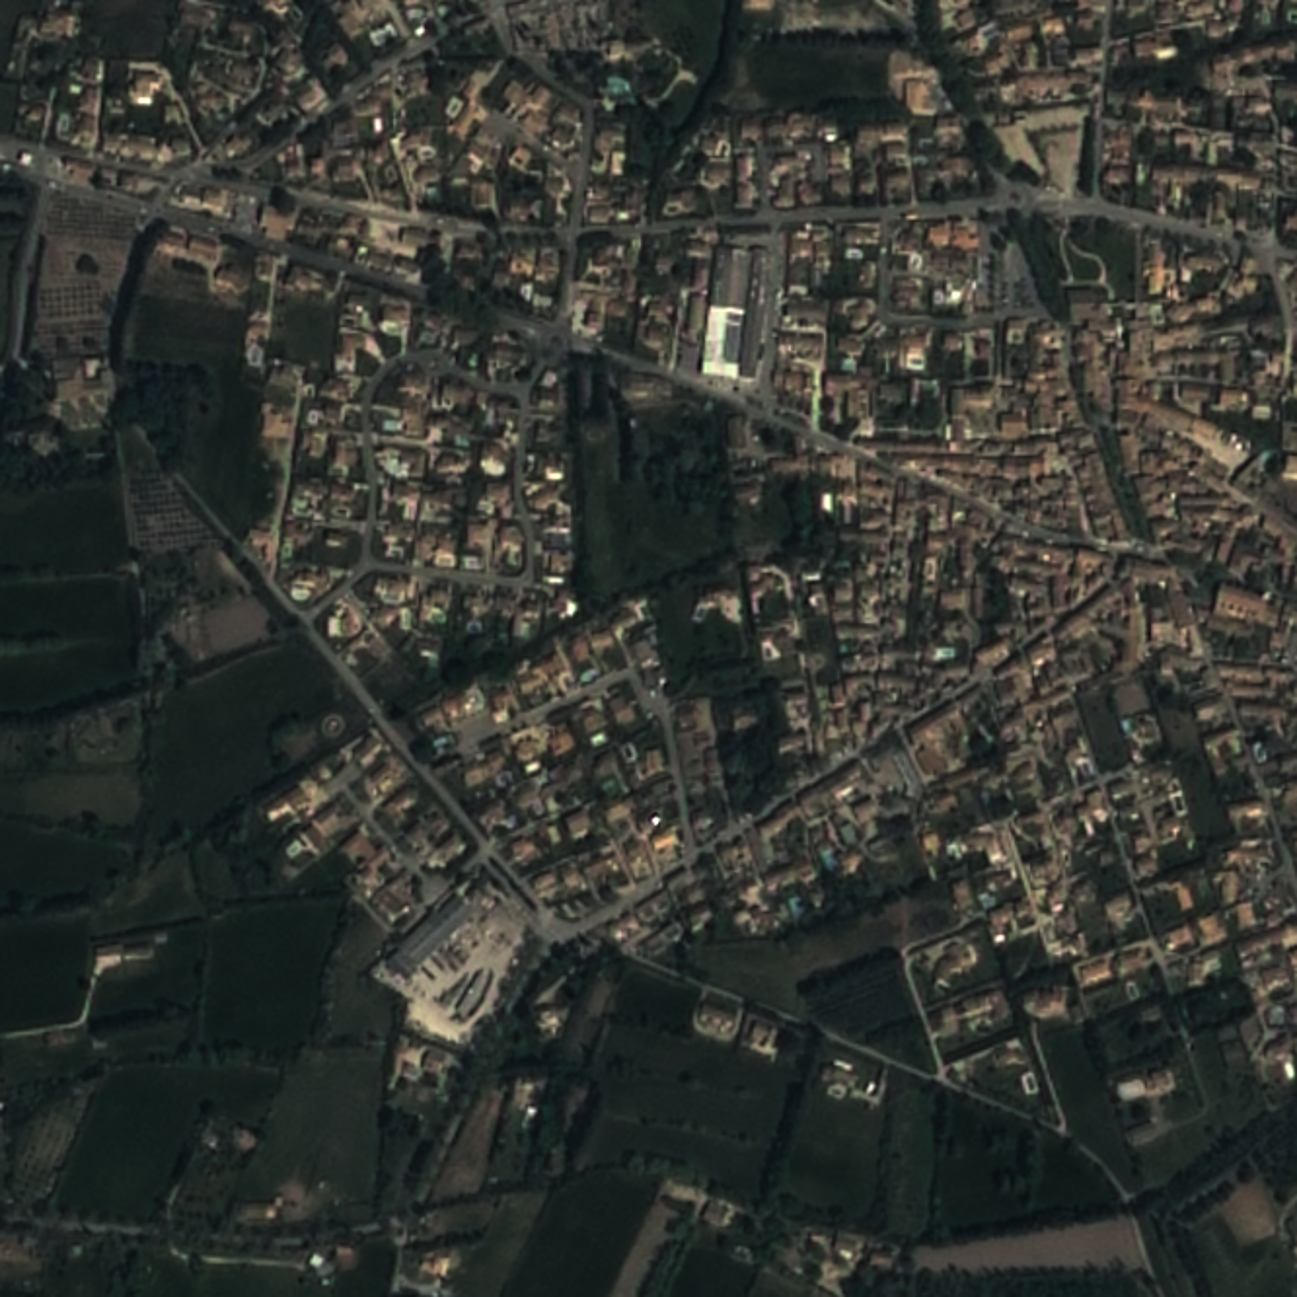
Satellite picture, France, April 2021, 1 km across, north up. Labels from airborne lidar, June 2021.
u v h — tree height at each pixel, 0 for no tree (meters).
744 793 17
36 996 0
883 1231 7
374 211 0
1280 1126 15
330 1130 0
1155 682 7
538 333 0
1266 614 0
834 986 14
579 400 16
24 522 0
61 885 0
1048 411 0
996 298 9
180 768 0
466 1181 0
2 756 0
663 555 0
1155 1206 13
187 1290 0
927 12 19
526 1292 0
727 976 0
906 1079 6
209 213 7
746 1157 0
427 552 0
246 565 13
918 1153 0
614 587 0
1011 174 13
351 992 0
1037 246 14
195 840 8
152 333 0
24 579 13
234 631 0
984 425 9
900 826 12
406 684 0
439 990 0
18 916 16
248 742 0
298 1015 0
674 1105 0
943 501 0
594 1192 0
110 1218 10
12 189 8
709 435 21
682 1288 0
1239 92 0
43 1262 0
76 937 0
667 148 7
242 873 7
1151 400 0
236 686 0
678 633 0
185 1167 11
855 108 13
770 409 10
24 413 12
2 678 0
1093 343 0
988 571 6
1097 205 0
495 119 0
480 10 10
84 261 7
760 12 0
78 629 0
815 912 8
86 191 0
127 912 0
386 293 8
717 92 10
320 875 0
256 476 0
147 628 7
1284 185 7
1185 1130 0
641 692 0
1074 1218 7
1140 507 11
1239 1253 0
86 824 6
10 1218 15
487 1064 19
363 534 0
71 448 14
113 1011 0
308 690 0
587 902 14
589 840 9
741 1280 0
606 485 0
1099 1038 12
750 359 0
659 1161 13
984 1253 0
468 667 14
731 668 9
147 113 0
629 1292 0
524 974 14
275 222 0
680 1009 0
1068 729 6
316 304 0
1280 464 9
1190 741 0
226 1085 0
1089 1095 0
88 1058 0
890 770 0
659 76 13
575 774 0
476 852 6
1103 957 7
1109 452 10
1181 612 0
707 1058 0
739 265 0
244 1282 0
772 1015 9
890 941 0
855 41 12
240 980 0
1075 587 0
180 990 0
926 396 5
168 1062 8
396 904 0
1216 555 0
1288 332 0
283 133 12
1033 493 0
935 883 8
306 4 14
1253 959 6
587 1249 0
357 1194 0
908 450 0
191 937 0
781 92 0
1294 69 11
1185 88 11
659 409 0
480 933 0
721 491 12
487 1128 0
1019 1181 17
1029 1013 7
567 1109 7
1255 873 6
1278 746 8
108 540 0
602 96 7
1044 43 7
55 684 0
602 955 7
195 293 0
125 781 0
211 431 0
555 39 0
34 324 7
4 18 0
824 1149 0
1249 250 9
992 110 11
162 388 17
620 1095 0
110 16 0
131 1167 0
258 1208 0
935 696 6
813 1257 11
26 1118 8
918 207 0
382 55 8
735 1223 9
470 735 0
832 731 0
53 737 9
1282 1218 0
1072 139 0
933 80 0
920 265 0
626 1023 7
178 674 7
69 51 17
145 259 16
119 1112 0
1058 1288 11
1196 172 0
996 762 9
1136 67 9
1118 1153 0
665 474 20
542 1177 11
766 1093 0
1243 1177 6
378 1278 0
